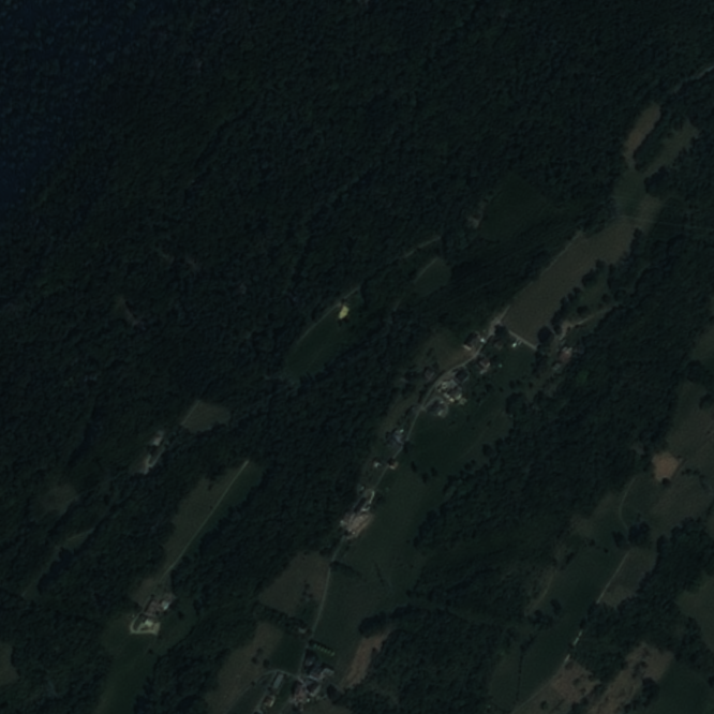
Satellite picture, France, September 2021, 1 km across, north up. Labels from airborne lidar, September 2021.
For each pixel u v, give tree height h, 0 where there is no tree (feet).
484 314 30
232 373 72
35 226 87
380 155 60
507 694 0
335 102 85
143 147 52
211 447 70
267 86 74
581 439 63
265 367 78
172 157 74
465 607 76
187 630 0
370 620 0
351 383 96
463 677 25
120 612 57
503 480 40
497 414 0
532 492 75
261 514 80
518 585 23
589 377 70
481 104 75
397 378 74
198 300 98
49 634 74
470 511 76
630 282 53
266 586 57
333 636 0
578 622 0
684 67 29
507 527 54
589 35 72
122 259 86
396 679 44
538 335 0
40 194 71
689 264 68
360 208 93
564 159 66
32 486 56
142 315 92
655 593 39
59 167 78
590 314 23
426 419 0
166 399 85
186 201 33
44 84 95
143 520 95
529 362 0
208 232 81
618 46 79
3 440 94
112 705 0
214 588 75
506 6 99
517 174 74
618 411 72
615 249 0
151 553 58
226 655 60
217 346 101
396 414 0
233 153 90
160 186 56
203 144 35
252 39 67
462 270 34
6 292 50
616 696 0
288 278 116
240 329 37
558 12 61
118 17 118
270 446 81
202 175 58
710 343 0
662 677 0
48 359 94
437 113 70
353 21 68
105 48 91
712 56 61
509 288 36
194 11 48
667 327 89
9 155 97
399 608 0
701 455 0
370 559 0
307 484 62
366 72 93
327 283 68
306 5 84
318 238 104
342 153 93
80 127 94
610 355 79
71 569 96
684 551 72
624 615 72
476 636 46
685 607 0
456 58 103
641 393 60
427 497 0
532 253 32
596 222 57
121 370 91
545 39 74
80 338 77
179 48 83
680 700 0
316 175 76
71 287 86
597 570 0
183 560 0
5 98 72
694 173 46
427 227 82
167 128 48
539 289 0
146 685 0
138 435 79
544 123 72
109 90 40
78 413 95
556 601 0
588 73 95
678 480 0
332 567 21
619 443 67
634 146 0
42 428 74
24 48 102
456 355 0
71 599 91
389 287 74
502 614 53
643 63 84
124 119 53
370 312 72
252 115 72
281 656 0
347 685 0
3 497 37
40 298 74
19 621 54
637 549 52
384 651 26
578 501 37
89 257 65
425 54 94
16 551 71
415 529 0
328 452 71
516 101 72
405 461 0
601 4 80
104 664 33
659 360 75
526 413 58
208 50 88
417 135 66
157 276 101
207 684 86
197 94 48
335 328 0
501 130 58
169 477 62
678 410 73
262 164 97
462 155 96
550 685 0
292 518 63
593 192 49
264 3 73
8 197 80
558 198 66
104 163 28
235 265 95
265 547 71
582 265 0
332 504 94
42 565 53
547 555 27
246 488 0
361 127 74
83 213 28
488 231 0
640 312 66
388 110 95
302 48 68
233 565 96
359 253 46
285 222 108
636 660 0
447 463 0
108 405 102
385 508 0
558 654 0
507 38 90
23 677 58
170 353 109
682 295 71
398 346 66
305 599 19
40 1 78
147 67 82
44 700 17
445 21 73
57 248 62
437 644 41
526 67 80
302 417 91
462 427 0
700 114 44
